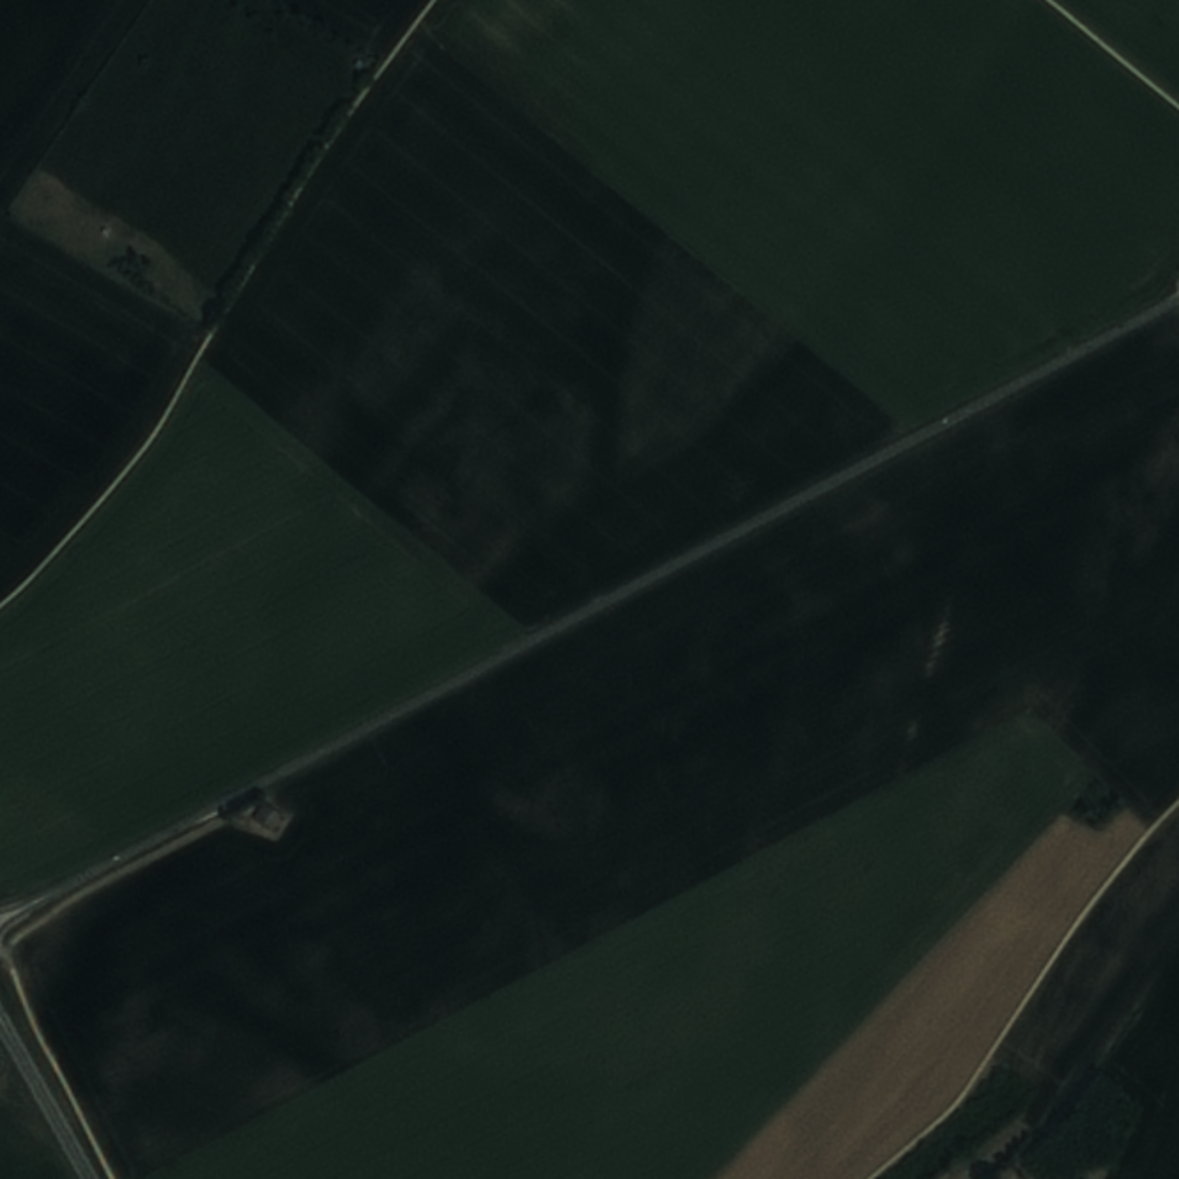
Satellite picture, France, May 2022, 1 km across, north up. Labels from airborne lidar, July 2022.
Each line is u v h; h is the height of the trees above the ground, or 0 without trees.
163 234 0
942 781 0
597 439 0
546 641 0
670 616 0
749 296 0
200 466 0
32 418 0
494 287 0
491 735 0
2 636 0
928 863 0
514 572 0
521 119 0
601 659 0
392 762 0
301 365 0
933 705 0
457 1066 0
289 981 0
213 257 0
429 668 0
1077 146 0
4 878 0
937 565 0
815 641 0
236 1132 0
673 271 0
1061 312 0
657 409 0
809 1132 0
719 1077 0
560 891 0
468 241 0
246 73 0
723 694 0
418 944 0
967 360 0
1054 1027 0
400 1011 0
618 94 0
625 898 0
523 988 0
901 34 0
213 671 0
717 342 0
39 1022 0
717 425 0
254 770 0
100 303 0
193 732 0
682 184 0
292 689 0
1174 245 0
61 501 0
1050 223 0
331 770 0
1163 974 0
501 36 0
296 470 0
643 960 0
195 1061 0
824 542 0
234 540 0
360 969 0
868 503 0
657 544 0
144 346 0
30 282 0
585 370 0
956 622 0
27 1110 0
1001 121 0
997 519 0
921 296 0
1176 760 0
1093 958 0
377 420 0
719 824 0
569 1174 0
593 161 0
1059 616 0
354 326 0
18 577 0
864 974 0
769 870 0
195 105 0
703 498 0
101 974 0
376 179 0
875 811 0
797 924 0
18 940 0
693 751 0
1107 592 0
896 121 0
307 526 0
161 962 0
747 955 0
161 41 0
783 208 0
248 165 0
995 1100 6
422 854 0
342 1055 0
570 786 0
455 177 0
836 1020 0
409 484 0
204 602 0
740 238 0
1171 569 0
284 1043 0
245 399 0
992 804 0
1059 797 0
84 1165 0
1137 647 0
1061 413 0
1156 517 0
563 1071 0
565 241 0
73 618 0
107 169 0
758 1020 0
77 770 0
